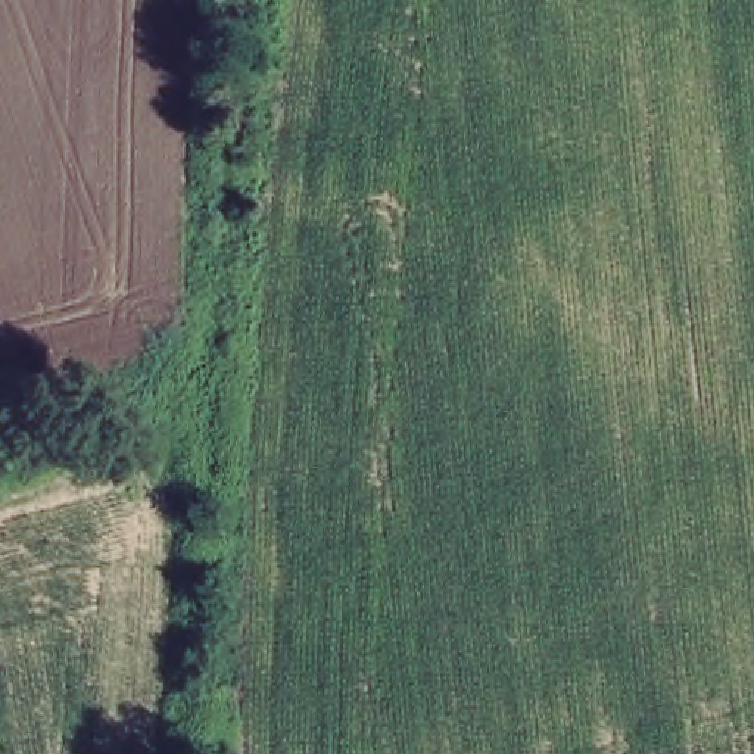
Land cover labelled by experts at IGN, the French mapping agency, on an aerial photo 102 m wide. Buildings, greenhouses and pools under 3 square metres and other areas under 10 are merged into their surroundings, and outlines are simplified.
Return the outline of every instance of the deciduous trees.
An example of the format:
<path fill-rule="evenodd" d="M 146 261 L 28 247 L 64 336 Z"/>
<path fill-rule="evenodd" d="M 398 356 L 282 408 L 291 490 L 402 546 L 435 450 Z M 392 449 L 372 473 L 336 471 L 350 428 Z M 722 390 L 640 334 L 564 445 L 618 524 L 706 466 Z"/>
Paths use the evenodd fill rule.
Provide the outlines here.
<path fill-rule="evenodd" d="M 250 165 L 253 144 L 247 138 L 253 138 L 253 109 L 227 109 L 227 121 L 203 138 L 203 144 L 212 153 L 221 153 L 227 165 Z"/>
<path fill-rule="evenodd" d="M 236 536 L 239 521 L 247 515 L 247 495 L 239 504 L 224 507 L 209 492 L 197 489 L 197 498 L 189 507 L 191 530 L 200 539 L 230 539 Z"/>
<path fill-rule="evenodd" d="M 200 0 L 203 18 L 197 21 L 197 35 L 189 41 L 191 71 L 197 74 L 194 88 L 209 106 L 227 106 L 233 97 L 247 94 L 256 85 L 259 71 L 265 71 L 265 47 L 256 35 L 253 0 Z"/>
<path fill-rule="evenodd" d="M 224 221 L 247 218 L 253 200 L 244 197 L 239 189 L 224 189 Z"/>
<path fill-rule="evenodd" d="M 183 654 L 186 680 L 200 677 L 206 666 L 206 648 L 200 642 Z"/>
<path fill-rule="evenodd" d="M 9 486 L 3 480 L 6 468 L 12 468 L 21 477 L 21 486 L 38 483 L 44 468 L 62 468 L 71 474 L 74 486 L 112 483 L 121 483 L 130 501 L 150 501 L 153 489 L 165 480 L 165 471 L 156 465 L 150 454 L 141 451 L 141 427 L 133 409 L 106 409 L 100 404 L 103 389 L 91 392 L 91 386 L 100 380 L 106 368 L 82 365 L 80 383 L 68 380 L 59 371 L 41 374 L 24 368 L 21 374 L 15 374 L 12 392 L 0 395 L 0 486 Z"/>

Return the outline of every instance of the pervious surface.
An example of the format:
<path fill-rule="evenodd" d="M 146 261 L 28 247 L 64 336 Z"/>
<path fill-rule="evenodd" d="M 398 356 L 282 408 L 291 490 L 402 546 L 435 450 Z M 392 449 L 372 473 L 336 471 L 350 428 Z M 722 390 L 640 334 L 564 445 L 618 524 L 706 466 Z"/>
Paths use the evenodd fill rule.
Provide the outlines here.
<path fill-rule="evenodd" d="M 0 507 L 0 527 L 15 515 L 53 510 L 74 501 L 106 498 L 112 483 L 74 486 L 53 486 L 50 495 L 38 495 L 27 504 Z"/>

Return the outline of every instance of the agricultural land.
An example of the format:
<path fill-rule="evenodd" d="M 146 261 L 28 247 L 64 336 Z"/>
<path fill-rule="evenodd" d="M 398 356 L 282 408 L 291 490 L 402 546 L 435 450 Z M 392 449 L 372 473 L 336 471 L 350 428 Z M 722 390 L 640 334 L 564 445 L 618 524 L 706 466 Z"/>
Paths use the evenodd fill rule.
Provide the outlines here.
<path fill-rule="evenodd" d="M 186 309 L 180 306 L 180 224 L 189 218 L 183 203 L 189 156 L 183 135 L 194 130 L 189 112 L 194 103 L 194 88 L 197 74 L 191 71 L 189 41 L 197 35 L 197 21 L 203 18 L 200 0 L 0 0 L 0 395 L 12 392 L 15 374 L 21 374 L 24 368 L 41 374 L 59 371 L 68 380 L 80 383 L 82 365 L 106 368 L 115 371 L 138 362 L 141 356 L 147 356 L 147 345 L 153 339 L 159 339 L 168 327 L 186 324 Z"/>
<path fill-rule="evenodd" d="M 153 745 L 153 736 L 159 736 L 168 727 L 168 722 L 162 713 L 156 713 L 162 680 L 156 674 L 153 636 L 165 624 L 168 601 L 162 580 L 165 521 L 159 518 L 150 501 L 130 501 L 121 483 L 112 483 L 106 498 L 74 501 L 53 510 L 15 515 L 0 527 L 0 666 L 6 686 L 6 722 L 12 727 L 15 754 L 165 754 Z"/>
<path fill-rule="evenodd" d="M 250 533 L 244 554 L 244 621 L 239 657 L 242 683 L 236 689 L 242 742 L 233 745 L 236 754 L 754 754 L 754 0 L 292 0 L 286 68 L 277 82 L 274 109 L 277 138 L 268 174 L 271 209 L 259 218 L 268 224 L 268 236 L 262 268 L 262 318 L 256 330 L 259 389 L 253 395 L 250 412 L 253 468 L 247 480 L 247 495 L 247 515 Z"/>

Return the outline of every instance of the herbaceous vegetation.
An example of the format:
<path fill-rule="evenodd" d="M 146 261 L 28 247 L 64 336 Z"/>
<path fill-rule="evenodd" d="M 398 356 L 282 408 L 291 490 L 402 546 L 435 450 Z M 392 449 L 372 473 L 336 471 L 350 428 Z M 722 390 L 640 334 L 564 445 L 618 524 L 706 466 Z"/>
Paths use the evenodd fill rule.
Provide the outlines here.
<path fill-rule="evenodd" d="M 3 480 L 9 486 L 0 486 L 0 507 L 27 504 L 38 495 L 50 495 L 53 486 L 74 486 L 71 474 L 62 468 L 44 468 L 38 483 L 21 486 L 21 477 L 12 468 L 6 468 Z"/>
<path fill-rule="evenodd" d="M 268 224 L 259 218 L 271 209 L 268 174 L 277 138 L 274 109 L 277 82 L 286 68 L 292 0 L 253 0 L 256 35 L 265 47 L 265 71 L 259 71 L 256 85 L 247 94 L 233 97 L 227 106 L 209 106 L 194 88 L 194 103 L 189 112 L 194 130 L 183 135 L 189 156 L 183 203 L 189 218 L 180 224 L 180 306 L 186 309 L 186 324 L 168 327 L 159 339 L 153 339 L 147 345 L 147 356 L 141 356 L 138 362 L 115 371 L 106 368 L 100 380 L 91 386 L 91 392 L 103 389 L 100 404 L 106 409 L 133 409 L 141 427 L 141 451 L 150 454 L 156 465 L 165 471 L 165 480 L 153 489 L 150 501 L 159 518 L 165 521 L 162 580 L 168 601 L 165 624 L 153 636 L 156 674 L 162 680 L 156 713 L 162 713 L 168 722 L 168 727 L 159 736 L 153 736 L 153 745 L 165 754 L 236 754 L 233 745 L 242 742 L 236 689 L 242 683 L 239 657 L 244 621 L 244 554 L 250 533 L 247 515 L 239 521 L 236 536 L 230 539 L 200 539 L 191 530 L 189 507 L 197 498 L 197 489 L 209 492 L 224 507 L 239 504 L 247 495 L 247 480 L 253 468 L 250 412 L 253 395 L 259 389 L 256 330 L 262 318 L 262 268 L 268 236 Z M 212 153 L 203 144 L 203 138 L 227 121 L 227 109 L 253 109 L 253 138 L 247 138 L 253 144 L 250 165 L 227 165 L 221 153 Z M 247 218 L 224 221 L 224 189 L 239 189 L 244 197 L 253 200 Z M 186 680 L 183 654 L 200 642 L 206 648 L 206 666 L 200 677 Z"/>
<path fill-rule="evenodd" d="M 0 666 L 0 754 L 15 754 L 12 727 L 6 722 L 6 686 Z"/>

